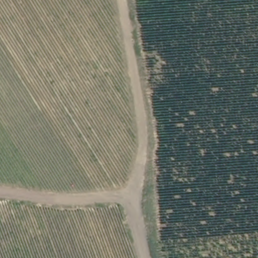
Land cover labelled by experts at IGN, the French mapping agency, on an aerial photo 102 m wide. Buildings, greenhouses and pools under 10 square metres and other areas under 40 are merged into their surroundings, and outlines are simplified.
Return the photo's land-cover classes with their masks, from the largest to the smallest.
<instances>
[{"label":"vineyard","instance_id":"1","mask_svg":"<svg viewBox=\"0 0 258 258\"><path fill-rule=\"evenodd\" d=\"M121 22L117 0H0V185L22 189L34 188L52 193L66 191L68 195H79L80 192L93 191L96 188L105 193L104 191L114 183L118 185L128 180V175L134 170L139 146L138 127L124 38L119 29ZM142 43L150 74L148 83L152 90L153 115L157 121L158 204L160 223L166 226L160 230L163 244L161 251H168L169 254L164 258H258V0H136ZM124 208L119 203L40 205L29 201L0 198V258H138L131 230L125 219Z\"/></svg>","mask_w":258,"mask_h":258},{"label":"pervious surface","instance_id":"2","mask_svg":"<svg viewBox=\"0 0 258 258\"><path fill-rule=\"evenodd\" d=\"M121 22L119 29L124 38L138 127L139 146L134 170L128 175V180L118 185L114 183L104 191L105 193L96 188L93 191L80 192L79 195H68L66 191L52 193L34 188L22 189L0 185V198L29 201L40 205L119 203L124 208L125 219L131 230L138 258H151L141 211L147 162V115L127 0H117Z\"/></svg>","mask_w":258,"mask_h":258},{"label":"herbaceous vegetation","instance_id":"3","mask_svg":"<svg viewBox=\"0 0 258 258\"><path fill-rule=\"evenodd\" d=\"M147 115V162L141 211L151 258H164L169 254L168 251H161L163 244L160 230L166 226L160 223L158 204L157 121L153 115L152 90L148 83L150 74L142 43L136 0H127Z\"/></svg>","mask_w":258,"mask_h":258}]
</instances>
